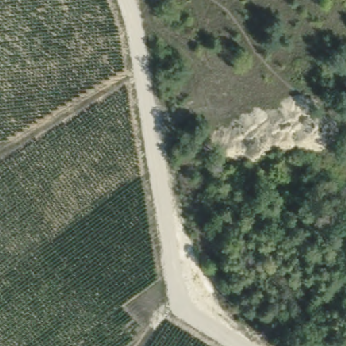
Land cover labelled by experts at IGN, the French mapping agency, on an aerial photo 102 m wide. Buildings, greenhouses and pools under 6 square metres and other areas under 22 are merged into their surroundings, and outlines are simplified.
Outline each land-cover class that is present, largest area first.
<instances>
[{"label":"vineyard","instance_id":"1","mask_svg":"<svg viewBox=\"0 0 346 346\"><path fill-rule=\"evenodd\" d=\"M0 346H223L199 328L177 318L170 308L166 295L161 265V241L155 218L154 196L151 191L145 139L139 115L130 43L118 0H0Z\"/></svg>","mask_w":346,"mask_h":346},{"label":"coniferous trees","instance_id":"2","mask_svg":"<svg viewBox=\"0 0 346 346\"><path fill-rule=\"evenodd\" d=\"M170 28L177 34L184 32L192 41L200 28L197 27L195 18H188L187 12L182 11L180 19L174 20ZM278 22L273 27L266 28V32L272 35V42H253L254 49L261 55L268 54L269 51L277 53L282 46H288L284 36L285 28L287 24L295 27L297 23L296 19L288 22L282 12L278 15L277 11H273ZM143 42L149 57L145 72L151 82L150 91L157 101L151 109V115L154 118L155 131L162 139L158 147L166 159L170 176L174 177L173 193L181 209V218L184 219L182 227L192 241V245H185V251L203 270L204 276L211 281L215 299L223 308L219 312V318L226 320L235 330L242 331L251 342L265 341L268 346H346V45L341 46V54L332 55L326 62L310 58L311 68L305 73L304 80L314 92V99H308L301 91H291V97L296 105L311 115V118L319 119L320 142L326 146L322 151L305 150L300 147L289 150L270 147L264 157L257 162L245 157L228 158L227 154L220 153V143L211 141L212 132L208 130V120L203 114H195L178 107V103L188 99V93L181 91L188 84L192 74H195L192 62L187 59L184 62L176 47L172 45H158L157 35L151 38L145 36ZM245 47L239 46L241 57L235 59V73L245 74L253 68L254 54H243Z\"/></svg>","mask_w":346,"mask_h":346},{"label":"herbaceous vegetation","instance_id":"3","mask_svg":"<svg viewBox=\"0 0 346 346\"><path fill-rule=\"evenodd\" d=\"M145 36L151 38L157 35L158 45H172L176 47L184 62L187 59L192 62L195 74H192L188 84L181 91L188 93V99L178 103V107L195 114H203L208 120V130L212 132L230 126L231 120L241 118L242 114H250L255 108L266 111L280 108L282 101L291 97V91H301L308 99H314V92L304 80L305 73L311 68L310 58L326 62L332 55L341 54V46L346 45V0H139ZM182 11L187 12L188 18H195L197 27L200 28L192 41L184 32L177 34L170 28L174 20L180 19ZM273 11H277L278 15L282 12L288 22L296 19L297 23L295 27L287 24L285 28L284 36L288 46H282L277 53L269 51L268 54L261 55L254 49L253 42H272V35L266 32V28L273 27L278 22ZM239 46L245 47L243 54H254L253 68L245 74L235 73V59L241 57Z\"/></svg>","mask_w":346,"mask_h":346},{"label":"pervious surface","instance_id":"4","mask_svg":"<svg viewBox=\"0 0 346 346\"><path fill-rule=\"evenodd\" d=\"M130 43L139 115L145 139L151 191L154 196L155 218L161 241V265L166 295L170 308L177 318L199 328L223 346H268L265 341L251 342L242 331L235 330L226 320L219 318V312L223 308L215 299L211 281L204 276L203 270L185 251V245H192V241L182 227L184 219L181 218V209L173 193L174 177L170 176L166 159L158 147L162 139L155 131L154 118L151 115V109L157 101L150 91L151 82L145 72L149 57L143 42L145 36L139 0H118ZM319 119L311 118V115L296 105L291 97L282 101L280 108L266 111L255 108L250 114H242L241 118L231 120L230 126L212 132L211 141L220 143V153L227 154L228 158L245 157L257 162L264 157L270 147L289 150L300 147L305 150L322 151L326 146L320 142Z\"/></svg>","mask_w":346,"mask_h":346}]
</instances>
